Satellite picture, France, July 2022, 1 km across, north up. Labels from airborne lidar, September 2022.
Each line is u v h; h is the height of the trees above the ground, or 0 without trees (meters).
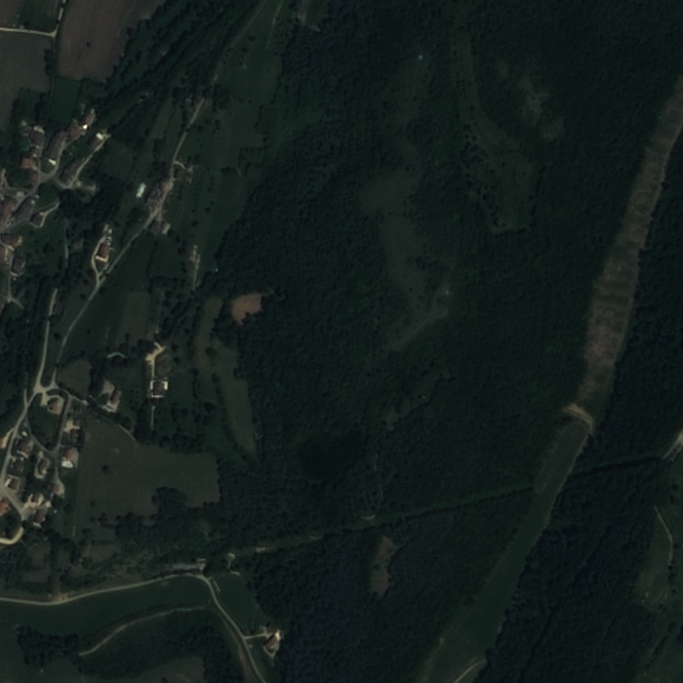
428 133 11
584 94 16
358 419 11
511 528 19
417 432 11
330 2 0
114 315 0
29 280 12
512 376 14
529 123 6
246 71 0
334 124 9
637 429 24
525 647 22
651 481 20
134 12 0
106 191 15
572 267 24
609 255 21
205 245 0
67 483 0
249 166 8
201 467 0
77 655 18
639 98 16
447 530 19
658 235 19
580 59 14
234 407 0
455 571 12
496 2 13
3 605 0
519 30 7
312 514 23
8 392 0
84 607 0
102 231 9
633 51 20
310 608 26
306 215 16
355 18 16
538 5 9
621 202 20
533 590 22
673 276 24
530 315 13
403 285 0
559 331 23
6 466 0
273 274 16
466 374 15
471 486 15
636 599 8
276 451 15
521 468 17
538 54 9
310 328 16
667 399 21
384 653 12
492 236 19
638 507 23
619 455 28
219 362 0
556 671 23
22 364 16
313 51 17
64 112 0
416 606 19
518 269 17
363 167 12
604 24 13
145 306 0
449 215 8
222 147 0
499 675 25
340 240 11
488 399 12
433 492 16
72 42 0
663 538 0
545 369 18
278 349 18
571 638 21
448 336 13
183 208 0
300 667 29
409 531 15
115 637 0
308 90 8
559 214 21
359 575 14
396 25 14
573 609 22
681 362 25
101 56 0
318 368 14
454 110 5
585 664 18
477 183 17
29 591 7
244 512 11
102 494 0
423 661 13
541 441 16
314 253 13
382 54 11
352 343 10
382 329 10
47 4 0
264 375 14
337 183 17
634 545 7
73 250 9
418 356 12
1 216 0
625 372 28
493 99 9
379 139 14
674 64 16
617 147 17
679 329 24
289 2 0
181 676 0
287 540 26
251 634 0
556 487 0
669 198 7
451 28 11
